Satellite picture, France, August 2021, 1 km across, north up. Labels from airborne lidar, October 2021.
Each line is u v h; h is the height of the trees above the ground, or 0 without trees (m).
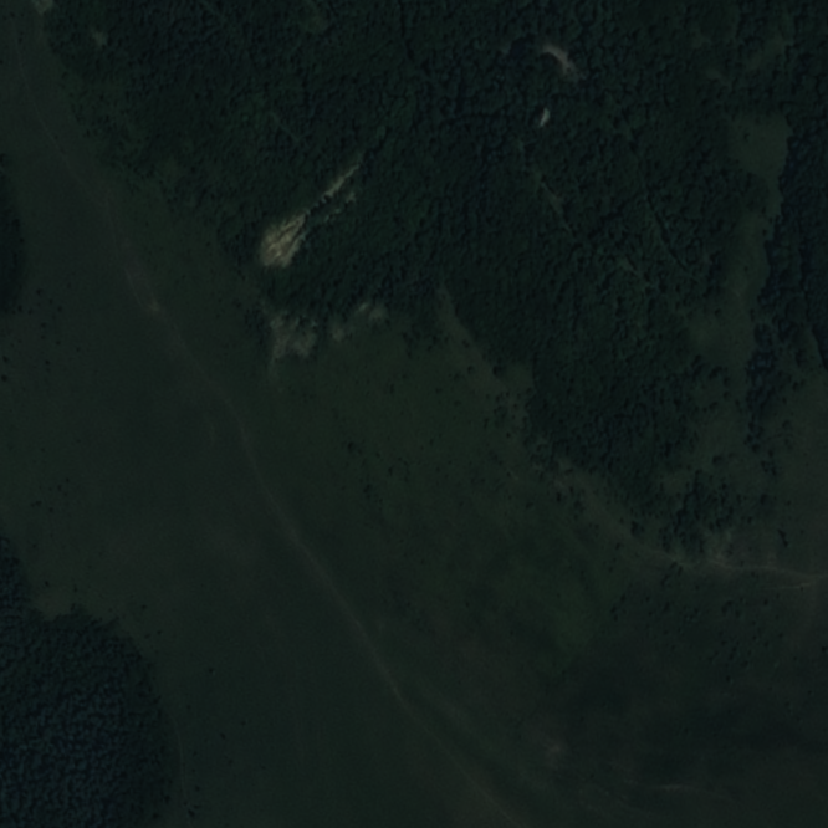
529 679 0
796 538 0
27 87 0
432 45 25
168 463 0
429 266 12
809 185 23
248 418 0
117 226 0
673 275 26
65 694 14
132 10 17
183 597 0
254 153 9
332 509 0
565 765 0
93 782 19
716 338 0
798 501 0
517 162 23
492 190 20
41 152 0
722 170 8
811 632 0
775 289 18
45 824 22
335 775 0
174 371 0
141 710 19
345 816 0
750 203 6
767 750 0
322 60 19
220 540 0
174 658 0
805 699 0
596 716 0
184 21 17
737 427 0
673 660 0
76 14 12
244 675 0
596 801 0
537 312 19
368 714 0
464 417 0
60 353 0
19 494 0
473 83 28
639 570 0
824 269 22
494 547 0
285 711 0
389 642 0
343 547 0
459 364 0
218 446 0
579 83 6
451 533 0
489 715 0
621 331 21
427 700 0
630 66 18
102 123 10
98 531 0
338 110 22
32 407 0
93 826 21
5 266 13
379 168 20
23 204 0
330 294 10
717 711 0
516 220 25
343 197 9
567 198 22
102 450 0
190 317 0
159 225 0
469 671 0
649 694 0
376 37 17
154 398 0
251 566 0
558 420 8
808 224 25
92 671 16
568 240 22
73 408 0
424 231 13
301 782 0
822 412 0
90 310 0
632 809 0
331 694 0
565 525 0
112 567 0
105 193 0
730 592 0
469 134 23
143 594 0
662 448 9
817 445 0
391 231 9
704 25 6
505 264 14
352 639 0
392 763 0
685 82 29
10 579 20
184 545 0
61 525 0
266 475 0
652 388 7
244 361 0
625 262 26
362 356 0
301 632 0
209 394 0
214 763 0
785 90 6
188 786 0
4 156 7
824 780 0
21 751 14
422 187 18
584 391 15
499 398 8
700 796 0
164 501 0
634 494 7
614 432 15
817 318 23
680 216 9
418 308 5
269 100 8
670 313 25
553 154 16
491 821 0
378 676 0
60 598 0
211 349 0
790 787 0
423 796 0
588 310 15
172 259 0
